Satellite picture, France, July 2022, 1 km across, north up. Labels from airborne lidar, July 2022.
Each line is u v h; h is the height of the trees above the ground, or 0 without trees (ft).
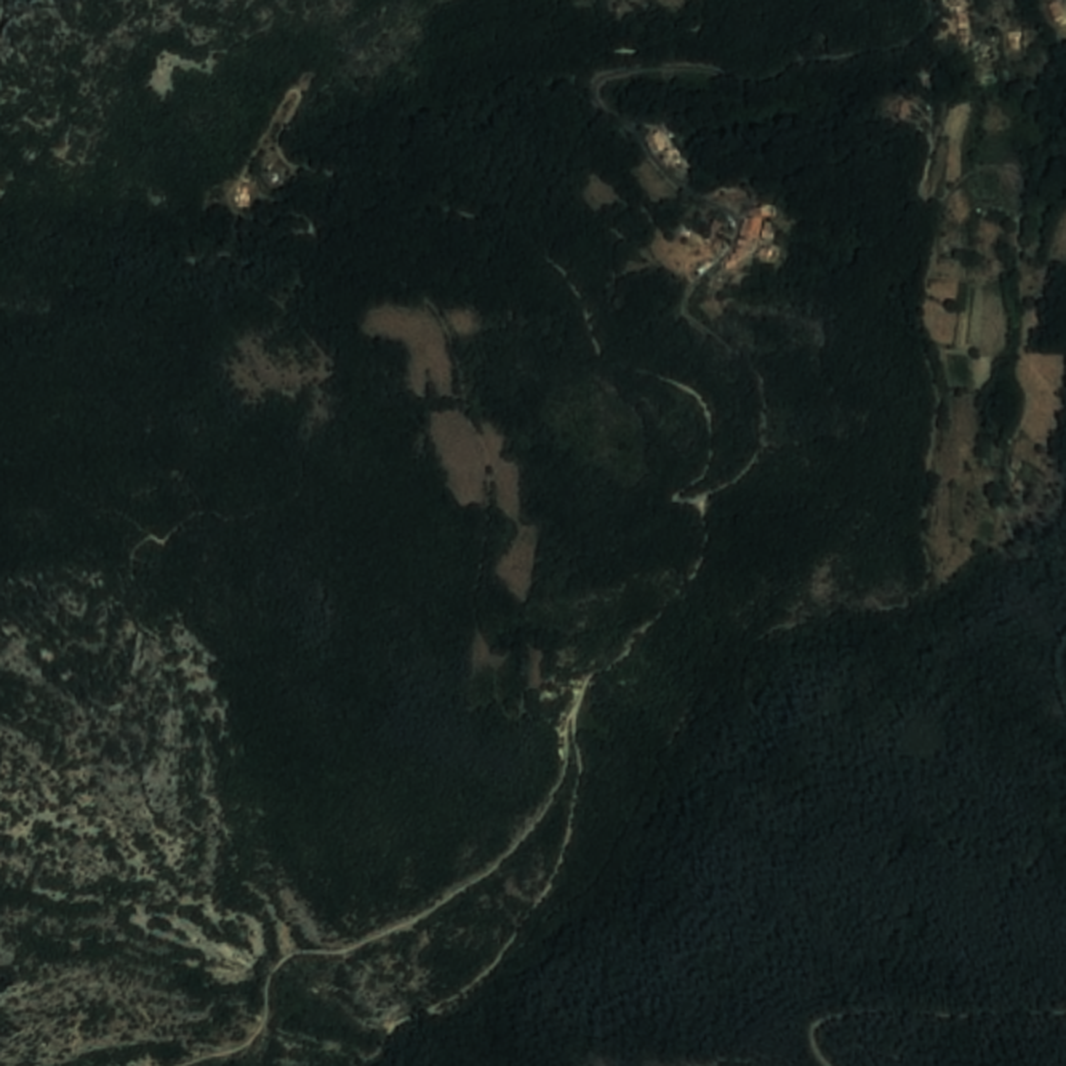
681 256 0
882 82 83
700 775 37
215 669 34
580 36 47
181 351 31
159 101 27
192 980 31
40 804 18
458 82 72
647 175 0
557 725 33
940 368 41
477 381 19
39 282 34
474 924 21
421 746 51
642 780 58
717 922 29
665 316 60
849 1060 33
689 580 38
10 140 21
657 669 52
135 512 20
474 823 27
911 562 37
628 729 44
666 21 50
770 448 20
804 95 44
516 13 41
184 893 25
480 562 27
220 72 25
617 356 32
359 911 24
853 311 47
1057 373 0
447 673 33
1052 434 30
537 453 37
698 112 76
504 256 66
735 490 38
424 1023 52
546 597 29
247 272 33
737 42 53
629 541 23
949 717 37
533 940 46
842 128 75
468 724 38
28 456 30
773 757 33
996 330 0
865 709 48
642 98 40
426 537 25
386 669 30
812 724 25
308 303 21
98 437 26
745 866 36
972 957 57
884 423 43
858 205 49
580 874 31
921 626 60
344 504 22
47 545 23
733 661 58
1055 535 38
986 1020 47
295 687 32
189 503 21
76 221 49
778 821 31
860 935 54
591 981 46
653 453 33
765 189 35
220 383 35
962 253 36
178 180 40
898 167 54
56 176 22
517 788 29
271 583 25
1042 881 47
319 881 21
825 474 25
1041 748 38
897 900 66
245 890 24
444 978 24
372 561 35
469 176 60
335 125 49
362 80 33
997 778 41
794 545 52
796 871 54
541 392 21
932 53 43
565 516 53
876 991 54
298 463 23
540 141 72
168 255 52
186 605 20
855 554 27
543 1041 29
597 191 0
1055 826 42
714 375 21
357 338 46
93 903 29
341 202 54
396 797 20
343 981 24
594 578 27
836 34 61
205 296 34
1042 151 25
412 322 0
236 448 28
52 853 19
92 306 45
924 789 55
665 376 29
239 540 21
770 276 46
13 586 20
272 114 26
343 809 22
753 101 62
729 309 21
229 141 30
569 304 27
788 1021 39
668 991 41
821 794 51
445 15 32
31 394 19
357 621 29
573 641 31
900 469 44
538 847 26
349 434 32
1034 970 56
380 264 49
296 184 30
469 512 41
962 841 45
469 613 24
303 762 31
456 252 64
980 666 32
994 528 0
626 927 23
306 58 28
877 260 62
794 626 32
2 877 21
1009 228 35
